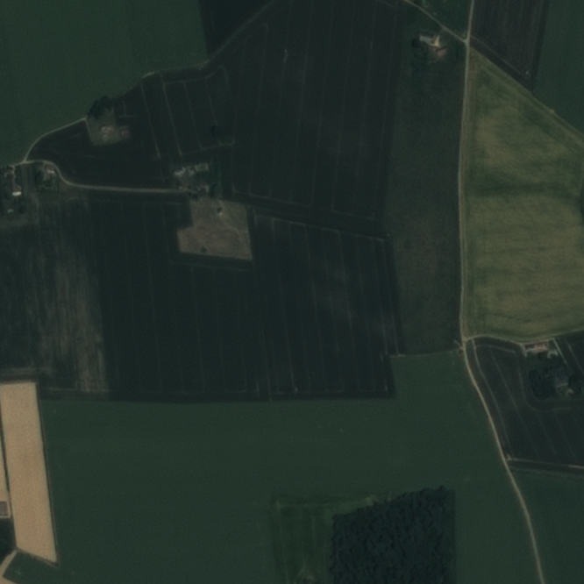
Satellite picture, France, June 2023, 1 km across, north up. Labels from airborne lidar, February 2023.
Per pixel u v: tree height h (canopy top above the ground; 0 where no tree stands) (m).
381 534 26
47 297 0
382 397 0
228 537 0
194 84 0
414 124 0
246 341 0
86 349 0
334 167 0
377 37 0
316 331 0
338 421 0
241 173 0
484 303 0
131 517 0
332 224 0
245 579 0
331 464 0
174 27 0
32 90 0
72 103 0
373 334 0
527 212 0
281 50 0
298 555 0
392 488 0
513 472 0
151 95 0
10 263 0
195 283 0
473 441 0
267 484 0
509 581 0
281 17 0
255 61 0
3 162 0
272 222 0
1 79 0
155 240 0
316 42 0
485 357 0
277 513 0
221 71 0
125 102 0
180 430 0
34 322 0
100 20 0
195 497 0
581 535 0
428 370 0
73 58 0
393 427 0
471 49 0
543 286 0
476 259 0
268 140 0
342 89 0
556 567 0
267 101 0
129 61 0
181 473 0
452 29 0
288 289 0
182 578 0
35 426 0
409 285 0
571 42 0
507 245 0
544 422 0
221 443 0
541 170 0
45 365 0
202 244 0
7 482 0
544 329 0
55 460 0
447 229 0
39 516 0
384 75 0
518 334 0
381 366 0
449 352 0
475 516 0
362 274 0
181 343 0
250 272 0
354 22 0
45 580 0
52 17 0
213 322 0
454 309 0
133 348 0
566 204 0
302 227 0
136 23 0
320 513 0
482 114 0
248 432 0
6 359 0
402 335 0
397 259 0
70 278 0
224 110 0
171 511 0
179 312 0
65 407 0
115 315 0
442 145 0
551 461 0
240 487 0
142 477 0
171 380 0
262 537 0
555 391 13
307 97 0
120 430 0
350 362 0
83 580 0
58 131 0
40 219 0
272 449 0
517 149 0
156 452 0
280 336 0
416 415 0
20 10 0
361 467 0
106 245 0
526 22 0
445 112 0
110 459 0
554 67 0
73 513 0
